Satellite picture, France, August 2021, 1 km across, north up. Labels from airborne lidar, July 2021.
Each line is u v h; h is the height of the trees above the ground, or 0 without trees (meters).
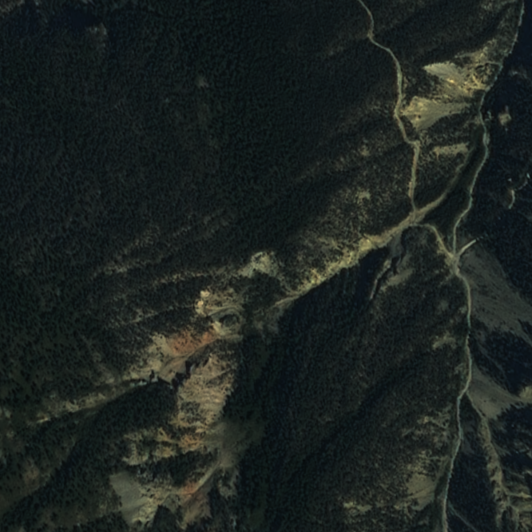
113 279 9
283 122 6
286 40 7
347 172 11
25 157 15
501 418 7
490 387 0
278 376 7
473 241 0
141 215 8
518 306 0
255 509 15
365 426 15
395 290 7
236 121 14
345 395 15
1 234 8
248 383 17
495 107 9
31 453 18
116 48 14
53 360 10
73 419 14
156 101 10
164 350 0
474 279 0
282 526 15
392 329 9
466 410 10
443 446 6
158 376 0
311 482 9
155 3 18
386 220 7
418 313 11
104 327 6
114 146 10
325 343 19
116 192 14
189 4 6
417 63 10
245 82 10
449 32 8
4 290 19
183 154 6
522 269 9
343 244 7
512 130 9
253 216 8
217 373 0
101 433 10
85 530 13
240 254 7
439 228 8
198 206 10
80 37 9
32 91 15
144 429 16
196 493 0
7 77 12
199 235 13
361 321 8
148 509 0
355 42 8
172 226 13
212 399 0
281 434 16
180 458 7
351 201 7
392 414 9
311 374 10
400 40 10
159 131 16
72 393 10
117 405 7
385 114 9
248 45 7
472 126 10
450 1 10
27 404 13
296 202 7
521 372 10
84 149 9
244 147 12
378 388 10
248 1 12
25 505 8
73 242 15
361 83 10
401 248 0
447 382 11
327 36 6
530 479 7
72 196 10
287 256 10
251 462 8
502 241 10
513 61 12
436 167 7
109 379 0
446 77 0
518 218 12
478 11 6
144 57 13
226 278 6
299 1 9
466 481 9
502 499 0
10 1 9
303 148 7
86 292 14
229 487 8
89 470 12
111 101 10
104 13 12
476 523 10
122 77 10
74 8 21
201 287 8
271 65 7
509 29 8
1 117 16
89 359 13
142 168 7
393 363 15
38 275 18
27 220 16
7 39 11
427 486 0
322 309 7
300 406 15
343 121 10
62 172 13
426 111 0
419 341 10
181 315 9
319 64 7
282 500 5
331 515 12
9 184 16
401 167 7
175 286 11
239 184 13
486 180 11
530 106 14
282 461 5
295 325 10
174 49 20
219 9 12
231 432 0
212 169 7
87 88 9
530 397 0
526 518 0
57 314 18
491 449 0
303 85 9
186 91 13
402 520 8
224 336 0
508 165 12
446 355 10
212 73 17
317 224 8
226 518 7
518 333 0
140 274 11
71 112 15
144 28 10
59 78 12
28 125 10
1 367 0
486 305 0
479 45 7
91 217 10
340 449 16
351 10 14
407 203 12
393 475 8
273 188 14
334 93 8
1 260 15
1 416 0
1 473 9
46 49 11
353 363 7
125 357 6
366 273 7
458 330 8
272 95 6
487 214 11
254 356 7
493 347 11
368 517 10
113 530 10
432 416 7
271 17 8
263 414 6
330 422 9
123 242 14
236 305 0
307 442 7
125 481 0
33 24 9
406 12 6
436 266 6
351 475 12
